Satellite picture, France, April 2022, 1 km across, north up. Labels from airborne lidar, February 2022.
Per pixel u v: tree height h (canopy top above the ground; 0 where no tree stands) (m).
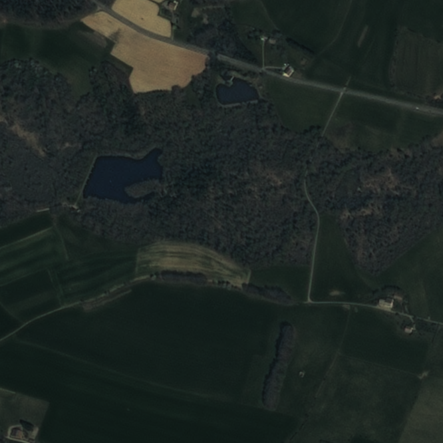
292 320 0
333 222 0
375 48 0
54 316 0
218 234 18
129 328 0
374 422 0
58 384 0
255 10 0
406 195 11
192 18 0
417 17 0
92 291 0
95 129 16
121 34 0
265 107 23
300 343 0
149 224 12
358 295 0
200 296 0
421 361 0
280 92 0
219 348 0
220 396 0
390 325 0
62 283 0
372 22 0
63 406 0
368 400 0
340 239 0
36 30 0
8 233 0
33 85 6
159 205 14
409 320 0
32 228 0
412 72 0
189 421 0
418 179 13
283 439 0
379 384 0
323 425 0
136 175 0
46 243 0
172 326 0
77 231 0
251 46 0
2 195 24
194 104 0
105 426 0
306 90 0
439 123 0
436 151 19
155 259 0
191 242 20
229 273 0
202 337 0
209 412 0
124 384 0
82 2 32
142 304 0
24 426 20
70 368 0
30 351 0
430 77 0
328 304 0
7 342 0
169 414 0
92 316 0
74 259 0
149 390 0
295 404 0
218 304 0
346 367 0
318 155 20
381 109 0
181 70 0
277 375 24
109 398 0
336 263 0
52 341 0
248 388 0
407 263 0
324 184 8
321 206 8
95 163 0
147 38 0
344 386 0
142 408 0
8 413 0
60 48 0
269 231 9
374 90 0
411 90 0
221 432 0
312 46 0
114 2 17
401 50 0
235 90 0
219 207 14
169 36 0
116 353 0
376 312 0
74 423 0
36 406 0
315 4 0
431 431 0
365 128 0
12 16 21
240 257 18
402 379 0
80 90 0
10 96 11
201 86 18
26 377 0
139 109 10
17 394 0
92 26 0
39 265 0
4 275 0
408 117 0
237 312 0
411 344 0
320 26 0
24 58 0
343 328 0
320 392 0
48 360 0
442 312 0
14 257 0
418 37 0
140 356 0
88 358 0
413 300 0
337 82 0
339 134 0
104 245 0
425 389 0
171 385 0
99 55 0
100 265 0
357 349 0
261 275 0
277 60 0
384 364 0
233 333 0
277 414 0
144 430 0
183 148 15
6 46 0
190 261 0
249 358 0
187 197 14
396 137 0
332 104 0
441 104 7
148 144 6
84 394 0
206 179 18
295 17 0
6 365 0
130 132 25
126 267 0
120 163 0
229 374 0
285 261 19
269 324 0
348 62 0
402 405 0
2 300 0
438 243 0
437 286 0
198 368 0
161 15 0
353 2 0
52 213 9
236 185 13
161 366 0
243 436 0
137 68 0
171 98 9
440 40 0
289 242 22
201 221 19
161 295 0
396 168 10
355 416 0
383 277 0
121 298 0
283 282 0
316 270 0
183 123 13
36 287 0
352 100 0
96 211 11
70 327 0
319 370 0
